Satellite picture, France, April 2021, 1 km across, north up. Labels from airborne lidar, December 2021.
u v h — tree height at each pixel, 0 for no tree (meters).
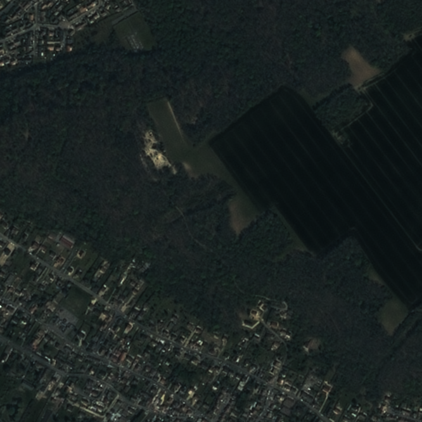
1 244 0
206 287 19
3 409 7
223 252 16
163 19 15
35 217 17
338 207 0
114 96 25
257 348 8
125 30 0
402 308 0
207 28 24
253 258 20
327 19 18
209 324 13
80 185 17
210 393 6
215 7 18
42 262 0
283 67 18
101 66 26
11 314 0
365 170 0
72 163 18
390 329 0
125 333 0
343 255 21
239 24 16
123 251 7
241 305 20
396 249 0
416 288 0
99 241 19
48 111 18
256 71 19
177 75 17
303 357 0
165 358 6
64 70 23
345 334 19
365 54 23
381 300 17
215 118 17
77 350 0
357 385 15
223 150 0
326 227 0
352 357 17
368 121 0
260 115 0
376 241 0
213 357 0
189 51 25
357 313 20
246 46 25
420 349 20
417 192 0
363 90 0
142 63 25
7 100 23
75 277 0
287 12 20
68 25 0
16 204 16
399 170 0
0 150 18
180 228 18
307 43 10
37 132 18
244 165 0
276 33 21
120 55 16
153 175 16
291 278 18
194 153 0
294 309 13
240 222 0
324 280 24
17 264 0
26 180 23
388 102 0
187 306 12
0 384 0
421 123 0
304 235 0
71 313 0
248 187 0
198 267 19
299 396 0
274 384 0
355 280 21
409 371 18
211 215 21
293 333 9
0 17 6
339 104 23
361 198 0
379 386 16
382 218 0
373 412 6
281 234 22
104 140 17
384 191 0
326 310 20
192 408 0
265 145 0
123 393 9
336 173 0
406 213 0
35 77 24
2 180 21
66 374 0
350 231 0
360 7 24
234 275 22
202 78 20
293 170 0
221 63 13
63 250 0
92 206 21
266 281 22
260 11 16
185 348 0
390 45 24
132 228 21
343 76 23
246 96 22
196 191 17
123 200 21
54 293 7
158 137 10
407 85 0
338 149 0
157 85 21
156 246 19
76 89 27
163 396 0
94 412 0
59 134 20
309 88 20
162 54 22
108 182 21
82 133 20
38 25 0
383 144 0
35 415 0
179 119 17
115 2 7
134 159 17
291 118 0
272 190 0
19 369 18
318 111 14
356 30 30
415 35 0
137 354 0
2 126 24
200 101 18
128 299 0
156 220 19
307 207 0
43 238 10
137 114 14
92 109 20
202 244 20
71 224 14
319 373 6
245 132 0
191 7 19
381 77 0
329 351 17
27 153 17
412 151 0
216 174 0
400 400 6
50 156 20
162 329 0
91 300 0
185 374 11
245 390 8
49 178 18
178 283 18
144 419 0
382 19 21
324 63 27
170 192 20
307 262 20
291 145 0
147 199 19
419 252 0
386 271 0
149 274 16
